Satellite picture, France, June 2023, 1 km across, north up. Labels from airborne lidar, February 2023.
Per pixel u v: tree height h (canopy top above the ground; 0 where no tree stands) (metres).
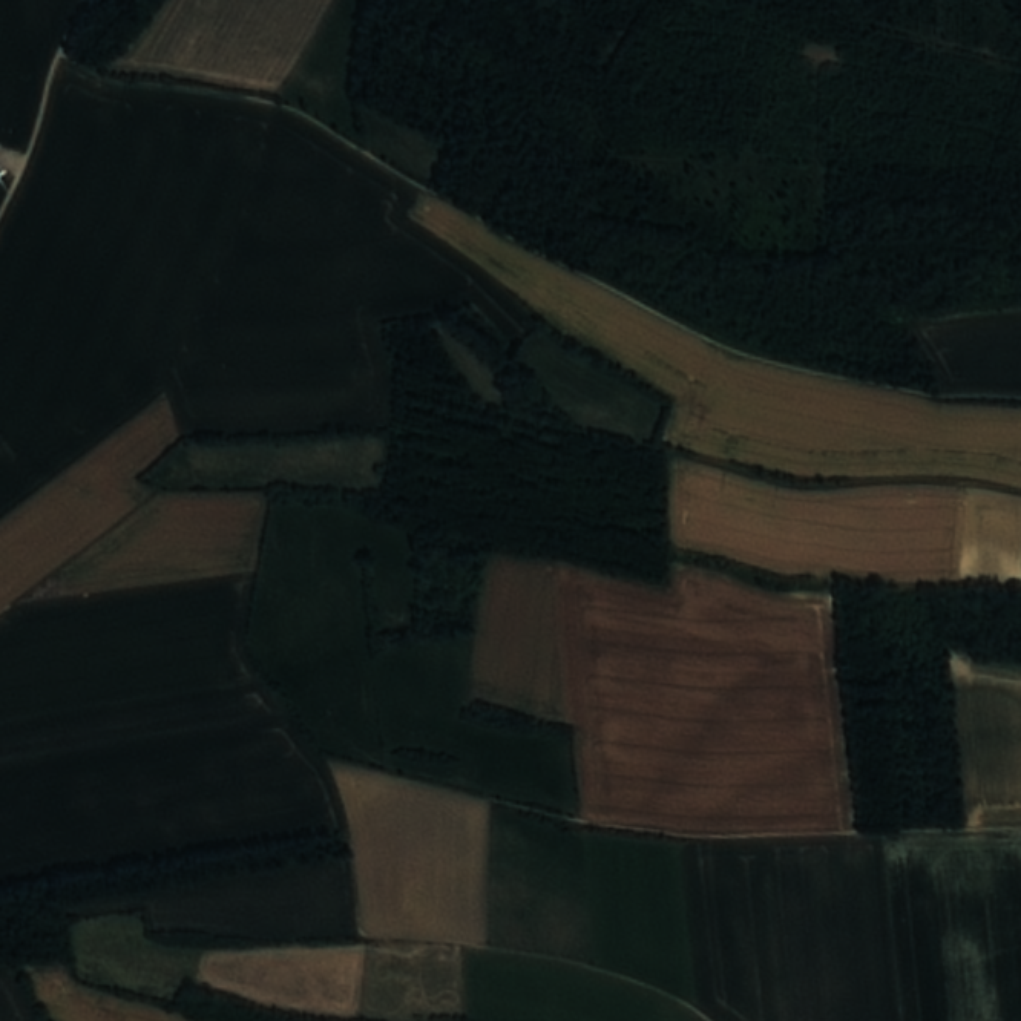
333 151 0
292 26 0
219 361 0
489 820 0
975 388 0
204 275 0
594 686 0
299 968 0
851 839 0
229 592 0
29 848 0
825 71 5
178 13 0
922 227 22
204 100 0
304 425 0
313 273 0
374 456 0
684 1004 0
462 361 0
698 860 0
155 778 0
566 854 0
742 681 0
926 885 0
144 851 0
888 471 0
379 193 0
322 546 0
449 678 0
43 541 0
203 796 0
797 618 0
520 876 0
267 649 0
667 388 0
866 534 0
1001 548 0
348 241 0
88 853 0
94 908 0
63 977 0
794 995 0
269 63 0
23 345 0
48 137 0
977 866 0
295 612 0
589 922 0
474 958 0
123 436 0
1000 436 0
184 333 0
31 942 23
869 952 0
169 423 0
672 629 0
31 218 0
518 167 22
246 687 0
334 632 0
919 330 0
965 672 0
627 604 0
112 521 0
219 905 0
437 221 0
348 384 0
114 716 0
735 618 0
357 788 0
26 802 0
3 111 0
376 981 0
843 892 0
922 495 0
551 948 0
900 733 6
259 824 0
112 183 0
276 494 8
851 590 14
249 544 0
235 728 0
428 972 0
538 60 20
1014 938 0
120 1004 0
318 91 0
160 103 0
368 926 0
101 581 0
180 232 0
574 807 0
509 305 0
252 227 0
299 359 0
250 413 0
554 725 5
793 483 6
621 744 0
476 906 0
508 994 0
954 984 0
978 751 0
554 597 0
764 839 0
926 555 0
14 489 0
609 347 0
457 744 0
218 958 0
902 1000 0
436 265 0
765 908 0
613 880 0
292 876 0
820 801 0
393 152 0
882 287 21
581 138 21
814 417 0
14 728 0
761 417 0
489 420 7
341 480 0
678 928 0
